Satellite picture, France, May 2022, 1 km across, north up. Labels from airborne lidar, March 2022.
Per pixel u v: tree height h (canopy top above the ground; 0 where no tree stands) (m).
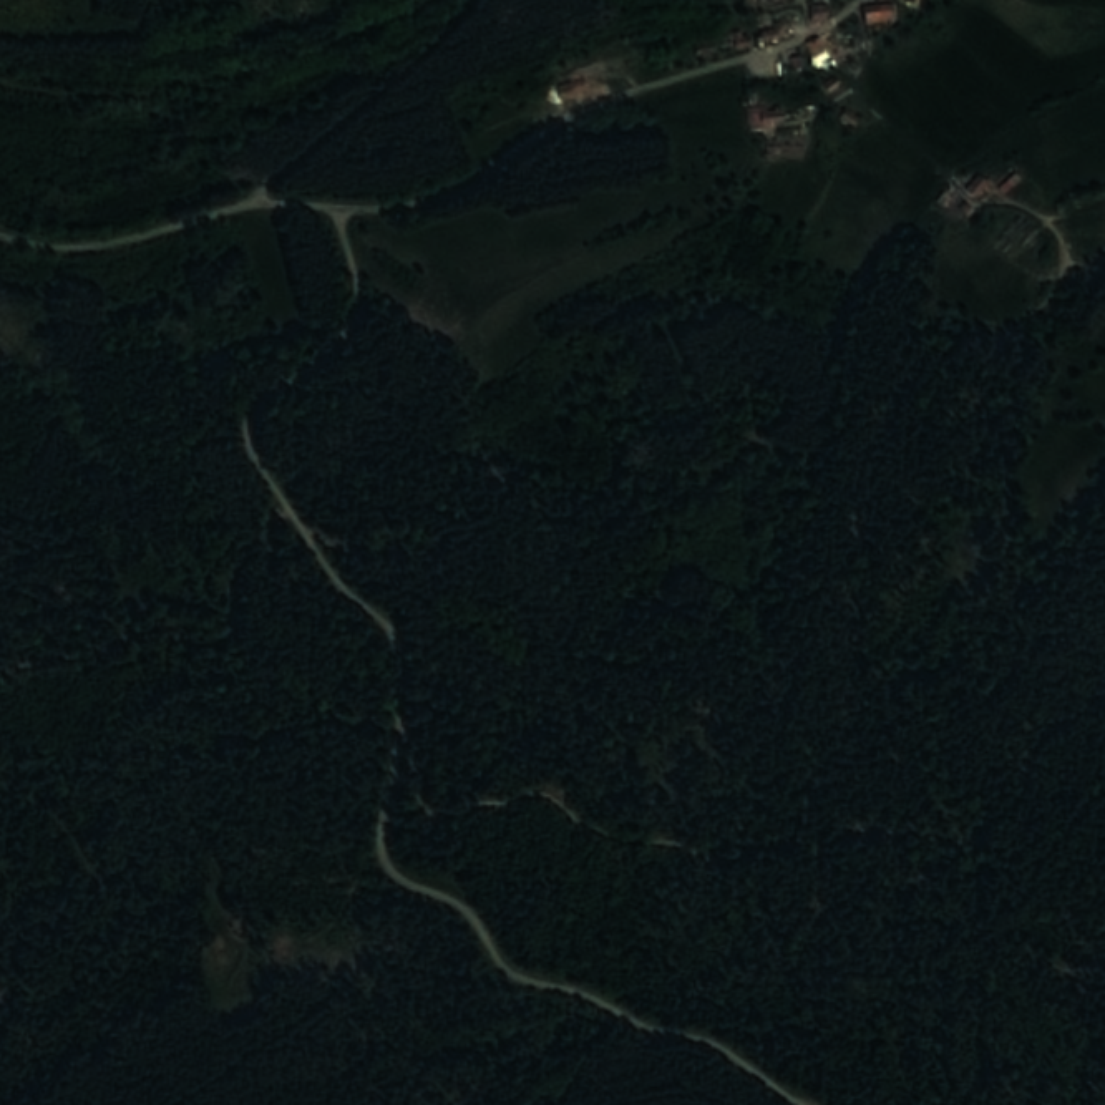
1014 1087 34
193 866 30
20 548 31
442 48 29
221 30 20
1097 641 29
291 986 26
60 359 24
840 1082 21
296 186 26
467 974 30
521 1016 31
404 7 21
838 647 31
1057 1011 30
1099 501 23
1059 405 0
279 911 9
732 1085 23
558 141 27
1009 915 28
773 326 25
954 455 36
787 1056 18
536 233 0
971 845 11
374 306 21
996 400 24
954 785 29
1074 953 9
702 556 7
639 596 32
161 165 24
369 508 34
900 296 27
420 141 26
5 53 24
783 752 32
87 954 7
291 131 25
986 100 0
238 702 30
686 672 26
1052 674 27
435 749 29
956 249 0
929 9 15
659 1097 24
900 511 32
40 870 6
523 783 12
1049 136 0
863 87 0
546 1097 26
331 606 6
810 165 0
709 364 29
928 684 34
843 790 29
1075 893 31
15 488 29
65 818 9
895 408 31
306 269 21
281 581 34
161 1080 25
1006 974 28
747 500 31
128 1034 26
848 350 28
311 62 22
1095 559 30
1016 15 0
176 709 28
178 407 26
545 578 28
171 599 0
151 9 9
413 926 25
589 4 21
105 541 22
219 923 0
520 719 22
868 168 0
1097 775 31
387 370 30
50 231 18
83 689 6
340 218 0
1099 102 0
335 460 23
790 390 29
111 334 24
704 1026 21
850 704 29
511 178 28
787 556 30
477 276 0
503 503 27
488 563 33
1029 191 0
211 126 8
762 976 29
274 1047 23
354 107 15
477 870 10
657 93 0
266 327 6
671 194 0
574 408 27
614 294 7
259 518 21
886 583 30
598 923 15
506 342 0
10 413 25
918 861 26
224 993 0
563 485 22
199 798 31
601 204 0
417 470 31
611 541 35
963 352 28
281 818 29
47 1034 28
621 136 26
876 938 34
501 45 28
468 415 16
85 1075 29
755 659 21
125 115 9
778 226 21
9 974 23
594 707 37
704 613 36
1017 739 25
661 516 21
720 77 0
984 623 27
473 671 37
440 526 31
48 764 9
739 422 8
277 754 30
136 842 25
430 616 34
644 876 10
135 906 31
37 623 29
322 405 29
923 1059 37
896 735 28
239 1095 22
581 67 0
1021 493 25
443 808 32
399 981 27
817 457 29
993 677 24
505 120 0
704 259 13
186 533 19
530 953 14
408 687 40
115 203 7
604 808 10
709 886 33
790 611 27
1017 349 11
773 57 0
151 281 6
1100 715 25
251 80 23
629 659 18
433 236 0
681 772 26
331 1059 26
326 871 10
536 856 11
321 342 29
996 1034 33
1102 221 0
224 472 23
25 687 6
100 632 29
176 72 23
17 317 0
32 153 10
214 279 21
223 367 30
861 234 0
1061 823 29
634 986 11
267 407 27
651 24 16
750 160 0
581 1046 12
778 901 31
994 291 0
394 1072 25
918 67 0
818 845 28
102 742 8
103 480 26
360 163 29
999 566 33
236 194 21
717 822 33
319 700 27
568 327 25
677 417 18
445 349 25
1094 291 26
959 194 0
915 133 0
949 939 31
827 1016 34
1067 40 0
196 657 19
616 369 16
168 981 9
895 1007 14
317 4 0
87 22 0
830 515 28
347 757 33
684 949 9
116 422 17
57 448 27
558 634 35
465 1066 34
